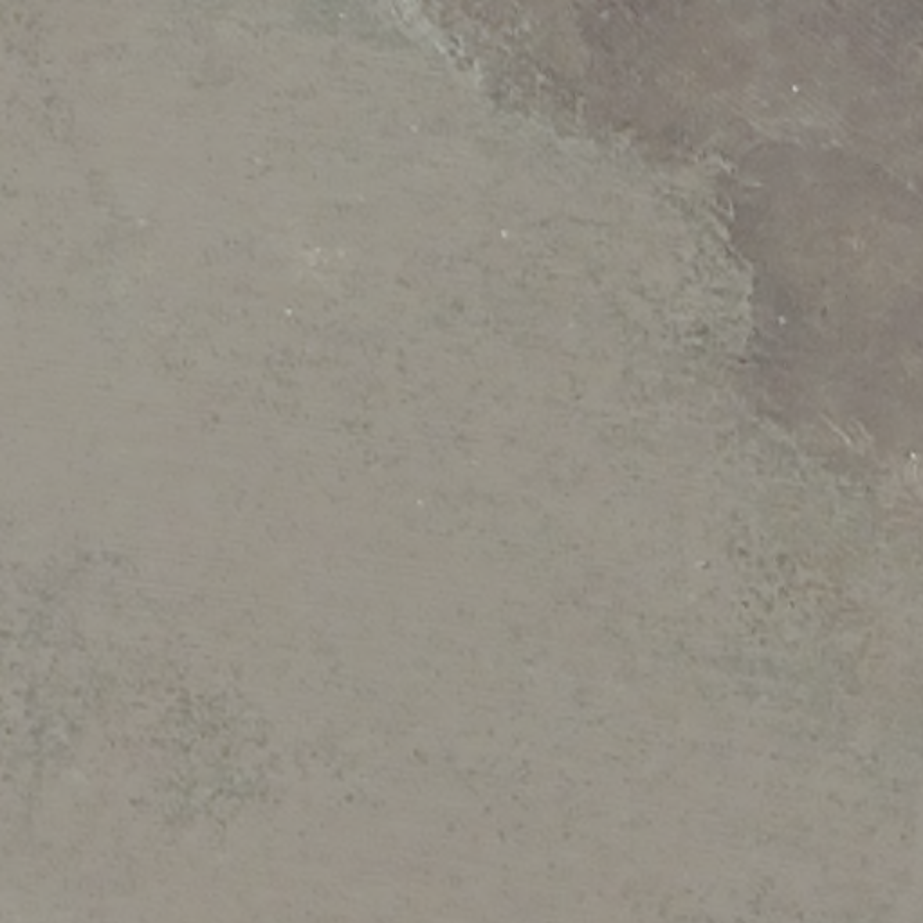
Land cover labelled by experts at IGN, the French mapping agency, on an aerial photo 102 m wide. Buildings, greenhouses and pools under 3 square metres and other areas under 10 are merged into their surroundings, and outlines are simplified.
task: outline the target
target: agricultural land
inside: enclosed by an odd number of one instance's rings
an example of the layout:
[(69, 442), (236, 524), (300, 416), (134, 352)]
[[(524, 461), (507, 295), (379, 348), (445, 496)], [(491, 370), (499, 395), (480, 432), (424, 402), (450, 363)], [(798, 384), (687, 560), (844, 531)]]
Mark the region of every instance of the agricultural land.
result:
[(923, 923), (923, 0), (0, 0), (0, 923)]

